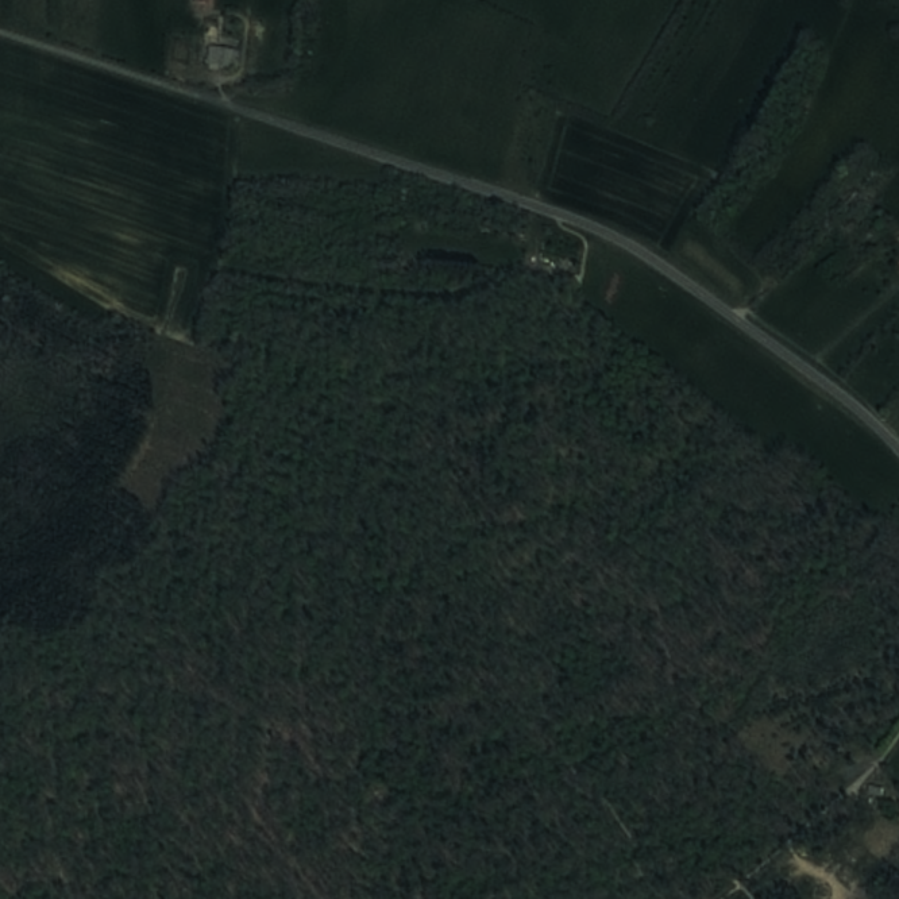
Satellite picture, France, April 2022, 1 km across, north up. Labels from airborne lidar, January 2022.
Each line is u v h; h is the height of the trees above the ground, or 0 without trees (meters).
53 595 13
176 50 0
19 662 27
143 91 0
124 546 16
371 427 29
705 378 0
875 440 0
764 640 28
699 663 28
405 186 12
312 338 31
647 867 30
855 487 0
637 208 0
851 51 0
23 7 0
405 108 0
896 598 17
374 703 30
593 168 0
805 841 24
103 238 0
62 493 18
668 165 0
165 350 0
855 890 0
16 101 0
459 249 0
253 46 0
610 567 30
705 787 30
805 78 24
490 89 0
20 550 13
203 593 27
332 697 25
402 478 28
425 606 31
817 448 0
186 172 0
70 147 0
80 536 17
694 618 31
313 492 30
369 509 31
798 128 19
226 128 0
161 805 30
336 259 14
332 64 0
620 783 27
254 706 27
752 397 0
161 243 0
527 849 26
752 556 19
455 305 26
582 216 0
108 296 0
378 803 0
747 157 25
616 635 31
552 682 28
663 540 27
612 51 0
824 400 0
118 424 10
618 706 29
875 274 0
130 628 28
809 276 0
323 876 30
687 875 17
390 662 27
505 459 32
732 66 0
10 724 29
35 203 0
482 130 0
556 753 26
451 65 0
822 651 8
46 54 0
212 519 26
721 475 25
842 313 0
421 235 0
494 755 27
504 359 29
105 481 14
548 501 33
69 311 15
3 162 0
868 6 0
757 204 0
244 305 20
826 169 0
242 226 10
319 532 27
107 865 32
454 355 29
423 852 30
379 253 25
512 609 33
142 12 0
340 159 0
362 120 0
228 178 0
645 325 0
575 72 0
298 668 29
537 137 0
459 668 30
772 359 0
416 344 30
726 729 7
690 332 0
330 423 28
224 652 31
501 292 26
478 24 0
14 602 16
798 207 0
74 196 0
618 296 0
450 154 0
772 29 0
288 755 25
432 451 29
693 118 0
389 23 0
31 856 29
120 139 0
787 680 8
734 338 0
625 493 13
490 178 0
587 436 27
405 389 33
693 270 0
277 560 26
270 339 28
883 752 15
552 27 0
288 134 0
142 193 0
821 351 0
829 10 0
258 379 31
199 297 0
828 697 9
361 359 32
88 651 30
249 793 28
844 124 0
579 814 28
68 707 28
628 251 0
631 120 0
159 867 32
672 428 28
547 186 0
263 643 30
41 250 0
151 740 31
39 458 15
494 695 29
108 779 29
